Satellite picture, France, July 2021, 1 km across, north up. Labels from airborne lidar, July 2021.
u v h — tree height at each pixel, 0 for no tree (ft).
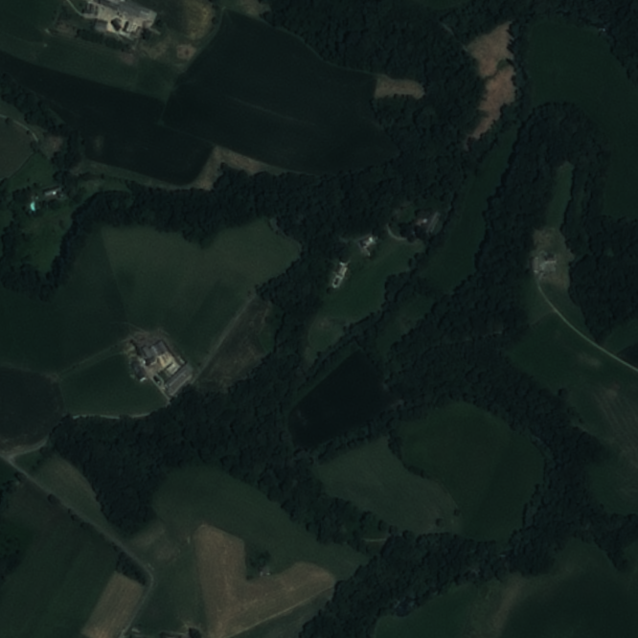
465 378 24
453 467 0
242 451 53
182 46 0
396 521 0
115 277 0
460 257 0
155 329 0
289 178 65
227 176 49
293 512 21
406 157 71
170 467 44
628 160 0
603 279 58
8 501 67
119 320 0
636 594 0
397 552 95
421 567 69
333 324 0
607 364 0
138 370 0
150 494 71
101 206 97
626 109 0
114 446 72
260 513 0
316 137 0
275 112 0
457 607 0
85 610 0
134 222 55
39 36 0
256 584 0
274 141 0
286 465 83
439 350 45
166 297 0
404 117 73
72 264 57
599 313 51
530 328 31
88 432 28
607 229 92
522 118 42
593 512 64
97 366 0
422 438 0
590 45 0
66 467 0
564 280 0
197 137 0
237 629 0
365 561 0
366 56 43
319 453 36
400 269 0
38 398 0
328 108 0
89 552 0
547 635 0
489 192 0
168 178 0
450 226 62
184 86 0
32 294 64
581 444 89
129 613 0
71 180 103
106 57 0
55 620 0
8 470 0
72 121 0
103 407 0
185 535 0
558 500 73
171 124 0
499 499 0
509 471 0
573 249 68
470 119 95
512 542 49
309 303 99
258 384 86
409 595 86
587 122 69
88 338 0
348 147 0
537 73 0
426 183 107
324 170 0
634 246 58
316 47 27
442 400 68
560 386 0
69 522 0
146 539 0
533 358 0
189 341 0
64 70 0
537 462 0
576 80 0
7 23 0
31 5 0
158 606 0
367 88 0
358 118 0
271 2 25
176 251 0
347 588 83
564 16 29
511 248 49
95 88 0
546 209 62
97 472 67
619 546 84
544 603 0
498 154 0
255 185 31
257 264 0
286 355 86
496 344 57
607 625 0
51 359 0
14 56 0
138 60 0
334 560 0
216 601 0
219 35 0
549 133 75
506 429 0
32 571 0
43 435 0
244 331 0
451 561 117
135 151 0
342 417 0
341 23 53
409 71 68
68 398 0
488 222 38
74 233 50
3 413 0
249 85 0
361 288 0
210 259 0
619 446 0
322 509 39
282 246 0
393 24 50
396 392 63
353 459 0
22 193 59
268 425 85
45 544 0
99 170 0
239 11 0
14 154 0
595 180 68
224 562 0
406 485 0
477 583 37
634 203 0
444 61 52
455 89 110
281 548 0
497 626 0
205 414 77
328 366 63
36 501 0
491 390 77
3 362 0
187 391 34
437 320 59
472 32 51
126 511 67
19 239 67
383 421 48
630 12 77
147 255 0
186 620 0
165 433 68
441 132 80
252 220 75
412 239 72
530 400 84
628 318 52
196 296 0
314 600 0
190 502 0
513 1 78
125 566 45
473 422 0
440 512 0
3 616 0
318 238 79
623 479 0
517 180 87
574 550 0
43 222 0
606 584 0
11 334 0
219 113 0
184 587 0
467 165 59
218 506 0
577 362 0
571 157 67
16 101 45
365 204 93
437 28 51
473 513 0
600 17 91
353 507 61
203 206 89
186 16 0
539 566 87
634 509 0
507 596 0
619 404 0
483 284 72
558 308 0
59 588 0
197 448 81
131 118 0
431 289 49
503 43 0
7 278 56
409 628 0
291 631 0
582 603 0
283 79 0
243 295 0
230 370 0
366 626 57
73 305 0
